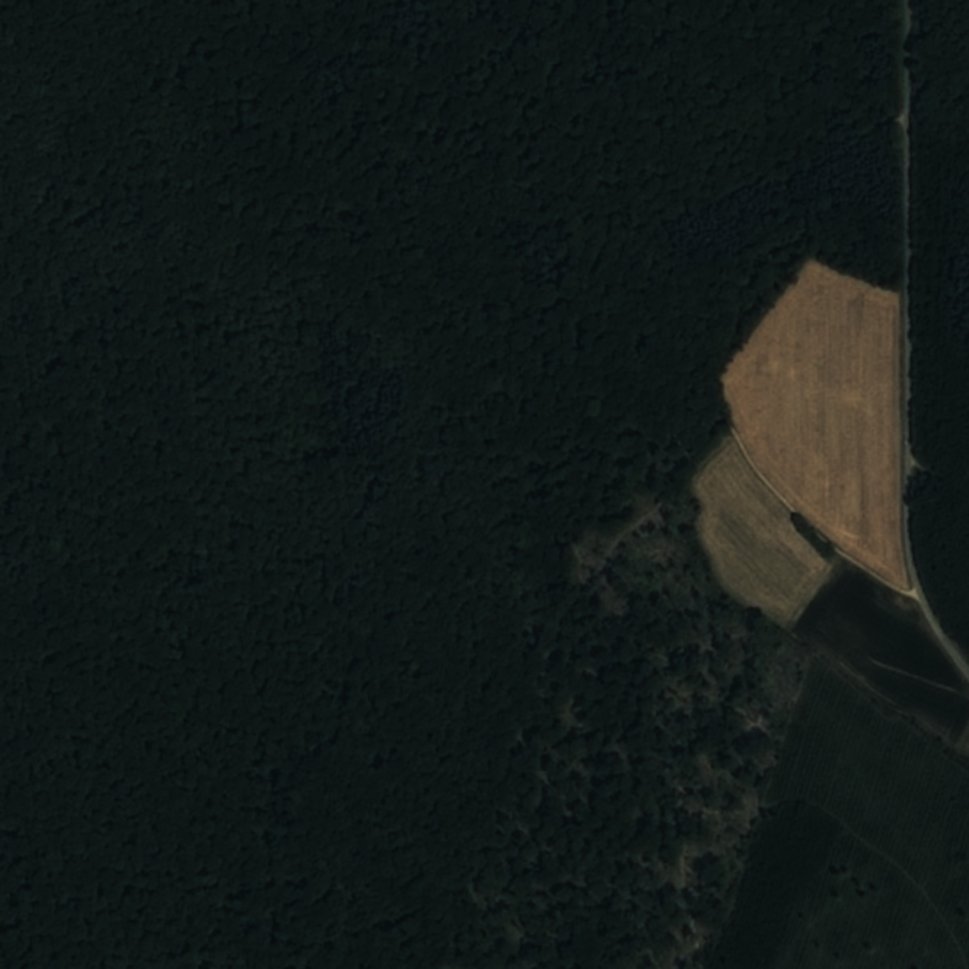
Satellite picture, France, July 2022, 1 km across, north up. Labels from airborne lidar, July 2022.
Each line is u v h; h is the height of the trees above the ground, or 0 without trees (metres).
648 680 31
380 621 22
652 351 29
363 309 28
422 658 22
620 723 13
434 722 26
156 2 23
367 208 26
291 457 18
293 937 22
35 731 19
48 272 23
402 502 18
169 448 23
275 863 23
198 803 26
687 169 25
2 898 26
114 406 21
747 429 0
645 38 26
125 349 25
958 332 21
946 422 20
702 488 0
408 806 21
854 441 0
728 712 19
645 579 23
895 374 0
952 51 21
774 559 0
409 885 18
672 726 29
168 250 20
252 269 22
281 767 22
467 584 24
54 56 20
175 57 24
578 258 23
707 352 23
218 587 24
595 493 28
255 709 23
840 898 19
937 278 16
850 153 22
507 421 24
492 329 24
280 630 22
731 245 25
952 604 15
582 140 24
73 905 22
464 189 24
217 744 24
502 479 14
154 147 24
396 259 23
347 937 21
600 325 26
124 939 20
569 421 27
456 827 21
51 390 20
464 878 22
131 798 25
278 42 29
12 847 25
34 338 24
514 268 23
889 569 0
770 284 20
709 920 23
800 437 0
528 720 21
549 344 27
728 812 12
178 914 19
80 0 24
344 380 23
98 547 23
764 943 6
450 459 21
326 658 21
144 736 25
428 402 17
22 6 23
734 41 31
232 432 18
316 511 19
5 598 19
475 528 21
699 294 27
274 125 29
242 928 17
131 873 27
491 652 22
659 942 24
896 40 25
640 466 25
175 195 20
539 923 24
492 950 18
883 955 0
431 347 21
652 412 22
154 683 26
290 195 26
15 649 23
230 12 26
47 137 28
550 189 24
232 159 24
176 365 21
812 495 0
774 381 0
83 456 21
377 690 27
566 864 25
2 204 20
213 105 21
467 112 29
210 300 21
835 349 0
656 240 25
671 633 20
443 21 24
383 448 21
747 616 7
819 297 0
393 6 25
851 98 28
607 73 20
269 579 22
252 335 16
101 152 29
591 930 25
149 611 24
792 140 26
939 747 6
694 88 31
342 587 22
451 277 24
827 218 26
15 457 23
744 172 22
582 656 27
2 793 20
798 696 0
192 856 24
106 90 20
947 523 16
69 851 22
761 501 0
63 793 22
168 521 26
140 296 22
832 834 6
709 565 8
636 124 29
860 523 0
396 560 20
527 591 22
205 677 22
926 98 24
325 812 21
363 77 27
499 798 21
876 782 0
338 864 24
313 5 29
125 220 27
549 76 25
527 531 24
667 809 22
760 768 23
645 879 26
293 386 23
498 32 25
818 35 28
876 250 23
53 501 22
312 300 25
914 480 13
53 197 19
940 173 16
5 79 19
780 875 7
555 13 25
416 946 28
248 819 22
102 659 19
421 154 23
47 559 16
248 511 21
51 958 23
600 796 25
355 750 23
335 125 27
